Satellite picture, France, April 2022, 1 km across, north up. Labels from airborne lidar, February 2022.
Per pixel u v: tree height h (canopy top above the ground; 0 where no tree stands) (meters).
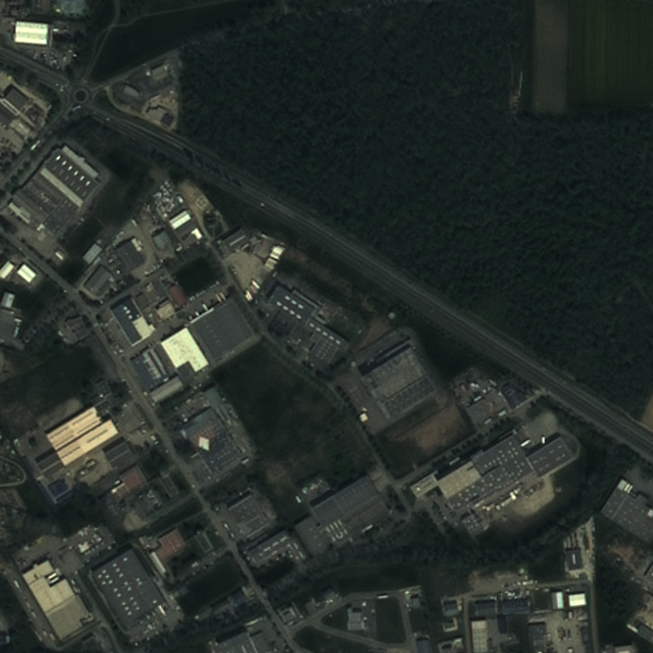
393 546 12
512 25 15
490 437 0
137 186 0
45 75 0
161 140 0
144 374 0
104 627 0
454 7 16
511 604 0
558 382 0
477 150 23
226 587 0
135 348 0
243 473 0
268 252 0
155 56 0
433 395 0
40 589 0
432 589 0
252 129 28
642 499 0
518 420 0
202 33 14
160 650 20
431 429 17
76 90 0
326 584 0
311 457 0
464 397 0
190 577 7
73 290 0
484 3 18
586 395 0
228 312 0
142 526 0
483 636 0
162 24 0
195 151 0
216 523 0
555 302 13
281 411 0
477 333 0
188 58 24
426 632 0
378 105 29
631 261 16
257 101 26
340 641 0
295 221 0
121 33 0
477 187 22
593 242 25
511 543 0
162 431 0
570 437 0
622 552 0
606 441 11
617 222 19
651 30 0
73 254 0
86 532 0
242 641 0
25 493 0
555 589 0
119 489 0
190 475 0
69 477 0
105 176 0
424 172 29
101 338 0
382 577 0
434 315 0
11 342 0
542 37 0
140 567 0
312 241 0
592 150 24
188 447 17
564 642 0
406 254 23
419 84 24
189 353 0
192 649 0
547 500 0
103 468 0
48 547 0
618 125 26
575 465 0
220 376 0
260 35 18
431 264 19
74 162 0
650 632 0
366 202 28
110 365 0
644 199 21
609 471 18
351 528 0
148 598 0
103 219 0
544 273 26
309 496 0
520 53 14
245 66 30
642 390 17
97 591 0
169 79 0
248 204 0
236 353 0
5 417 0
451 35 15
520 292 13
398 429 0
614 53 0
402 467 0
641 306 20
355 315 0
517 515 0
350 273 0
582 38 0
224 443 0
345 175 26
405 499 0
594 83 0
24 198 0
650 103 0
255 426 0
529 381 0
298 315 0
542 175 23
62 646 0
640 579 0
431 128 29
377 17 30
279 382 0
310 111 30
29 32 0
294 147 19
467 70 23
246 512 0
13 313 0
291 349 10
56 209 0
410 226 29
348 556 18
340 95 26
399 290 0
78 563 0
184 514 0
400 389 0
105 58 0
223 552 0
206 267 0
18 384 0
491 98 20
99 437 0
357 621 0
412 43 28
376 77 30
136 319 0
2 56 0
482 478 0
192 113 25
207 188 13
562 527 18
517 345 0
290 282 0
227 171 0
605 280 26
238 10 0
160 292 0
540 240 20
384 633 0
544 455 0
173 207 0
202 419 0
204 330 0
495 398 0
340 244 0
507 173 26
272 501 6
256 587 0
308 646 0
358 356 0
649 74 0
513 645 0
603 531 0
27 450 0
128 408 0
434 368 0
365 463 0
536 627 0
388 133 27
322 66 28
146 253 0
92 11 0
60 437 0
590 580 0
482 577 0
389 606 0
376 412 0
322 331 0
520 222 16
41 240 0
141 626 0
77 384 0
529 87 0
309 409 0
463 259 24
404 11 27
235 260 0
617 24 0
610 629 0
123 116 0
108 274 0
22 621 0
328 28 28
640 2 0
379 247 25
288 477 0
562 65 0
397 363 0
